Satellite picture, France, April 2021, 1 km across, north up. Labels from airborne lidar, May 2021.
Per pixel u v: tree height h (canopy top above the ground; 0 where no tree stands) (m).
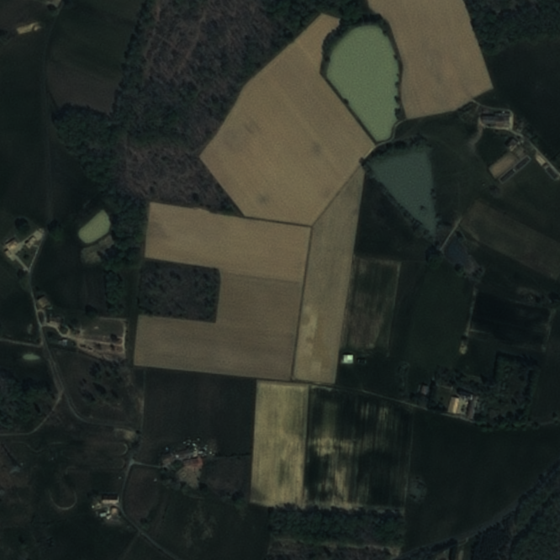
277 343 0
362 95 0
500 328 0
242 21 19
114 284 19
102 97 0
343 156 0
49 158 0
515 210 0
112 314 14
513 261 0
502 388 7
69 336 0
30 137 0
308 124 0
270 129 0
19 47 0
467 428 0
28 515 0
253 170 0
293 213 0
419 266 0
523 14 20
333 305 0
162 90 15
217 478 0
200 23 0
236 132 0
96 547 0
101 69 0
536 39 21
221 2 14
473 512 0
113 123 15
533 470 0
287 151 0
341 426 0
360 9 21
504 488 0
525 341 0
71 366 0
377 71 0
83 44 0
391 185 0
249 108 0
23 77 0
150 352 0
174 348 0
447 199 0
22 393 23
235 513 0
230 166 0
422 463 0
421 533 0
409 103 0
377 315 0
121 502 0
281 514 16
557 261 0
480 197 0
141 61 17
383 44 0
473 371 0
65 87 0
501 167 0
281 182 0
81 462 0
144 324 0
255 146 0
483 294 0
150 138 18
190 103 18
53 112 0
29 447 0
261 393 0
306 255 0
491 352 0
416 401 11
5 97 0
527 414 10
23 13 0
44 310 0
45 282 0
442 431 0
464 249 0
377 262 0
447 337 0
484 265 0
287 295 0
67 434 0
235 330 0
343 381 0
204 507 0
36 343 0
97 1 0
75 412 0
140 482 0
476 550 10
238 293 0
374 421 0
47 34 0
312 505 0
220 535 0
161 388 0
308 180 0
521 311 0
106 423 0
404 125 0
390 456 0
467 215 0
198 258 0
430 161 0
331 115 0
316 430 0
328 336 0
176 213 0
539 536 21
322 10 18
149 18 14
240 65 18
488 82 0
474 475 0
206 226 0
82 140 17
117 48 0
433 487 0
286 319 0
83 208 0
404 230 0
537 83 0
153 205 0
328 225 0
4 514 0
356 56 0
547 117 0
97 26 0
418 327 0
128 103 18
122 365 16
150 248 0
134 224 24
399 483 0
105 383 0
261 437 0
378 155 9
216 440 0
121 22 0
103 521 0
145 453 0
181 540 0
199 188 14
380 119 0
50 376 0
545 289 0
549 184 0
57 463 0
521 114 0
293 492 0
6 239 0
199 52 8
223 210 15
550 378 0
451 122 0
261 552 0
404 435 0
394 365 0
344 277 0
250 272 0
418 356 0
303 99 0
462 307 0
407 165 0
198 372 0
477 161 0
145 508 0
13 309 0
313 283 0
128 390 0
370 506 0
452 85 0
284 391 0
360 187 0
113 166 9
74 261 0
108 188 11
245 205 0
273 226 0
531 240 0
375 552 13
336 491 0
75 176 0
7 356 0
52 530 0
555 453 0
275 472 0
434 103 0
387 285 0
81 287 0
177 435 0
